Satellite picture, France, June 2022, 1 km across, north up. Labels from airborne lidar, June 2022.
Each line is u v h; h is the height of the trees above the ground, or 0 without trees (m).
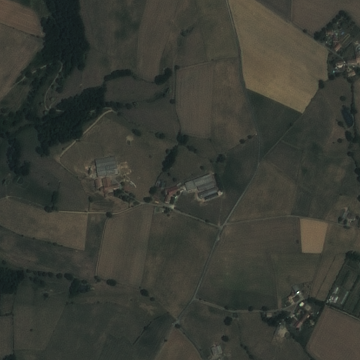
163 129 0
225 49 0
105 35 0
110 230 0
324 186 0
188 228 0
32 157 0
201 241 0
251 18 0
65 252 0
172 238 0
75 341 0
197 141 0
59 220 0
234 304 0
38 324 0
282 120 0
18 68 0
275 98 0
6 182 13
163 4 0
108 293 0
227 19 0
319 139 0
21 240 0
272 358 0
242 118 0
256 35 0
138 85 0
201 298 7
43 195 0
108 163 0
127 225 0
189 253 0
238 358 0
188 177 0
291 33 0
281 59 0
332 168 0
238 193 0
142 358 0
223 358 0
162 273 0
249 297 0
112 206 0
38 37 8
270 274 0
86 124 0
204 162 0
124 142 0
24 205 0
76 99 13
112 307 0
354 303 0
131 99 0
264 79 0
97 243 0
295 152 0
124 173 0
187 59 0
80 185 0
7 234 0
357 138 7
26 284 0
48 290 0
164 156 0
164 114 0
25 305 0
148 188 0
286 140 0
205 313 0
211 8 0
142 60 0
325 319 0
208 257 0
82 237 0
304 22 0
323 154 0
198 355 0
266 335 0
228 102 0
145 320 0
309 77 0
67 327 0
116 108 25
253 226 0
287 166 0
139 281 0
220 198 0
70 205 0
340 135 0
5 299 0
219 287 0
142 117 0
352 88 8
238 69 0
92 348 0
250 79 0
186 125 0
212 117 0
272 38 0
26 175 12
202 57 0
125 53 0
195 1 0
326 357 0
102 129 0
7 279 15
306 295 0
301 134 0
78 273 0
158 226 0
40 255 0
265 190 0
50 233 0
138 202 0
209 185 0
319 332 0
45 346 0
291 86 0
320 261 0
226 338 18
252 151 0
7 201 0
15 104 0
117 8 0
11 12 0
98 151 0
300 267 0
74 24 23
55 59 20
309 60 0
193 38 0
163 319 0
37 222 0
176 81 0
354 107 9
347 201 0
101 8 0
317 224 0
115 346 0
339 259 0
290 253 0
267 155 0
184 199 0
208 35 0
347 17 12
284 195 0
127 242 0
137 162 0
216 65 0
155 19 0
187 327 0
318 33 15
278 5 0
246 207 0
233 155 0
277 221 0
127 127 0
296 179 0
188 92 0
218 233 0
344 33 0
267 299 0
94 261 0
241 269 0
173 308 0
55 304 0
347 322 0
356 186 0
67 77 12
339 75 9
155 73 0
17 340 0
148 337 0
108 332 0
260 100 0
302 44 0
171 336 0
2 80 0
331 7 0
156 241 0
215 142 0
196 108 0
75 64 18
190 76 0
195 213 0
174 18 0
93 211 0
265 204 0
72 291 17
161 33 0
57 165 0
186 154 0
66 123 15
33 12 0
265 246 0
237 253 0
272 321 12
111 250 0
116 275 0
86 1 0
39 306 0
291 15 0
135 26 0
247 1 0
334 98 0
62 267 0
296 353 0
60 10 22
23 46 0
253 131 0
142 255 0
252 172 0
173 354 0
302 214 0
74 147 0
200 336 0
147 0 0
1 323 0
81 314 0
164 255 0
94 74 0
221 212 0
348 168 0
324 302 8
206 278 0
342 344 0
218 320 0
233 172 0
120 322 0
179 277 0
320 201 0
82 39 20
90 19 0
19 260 0
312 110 0
